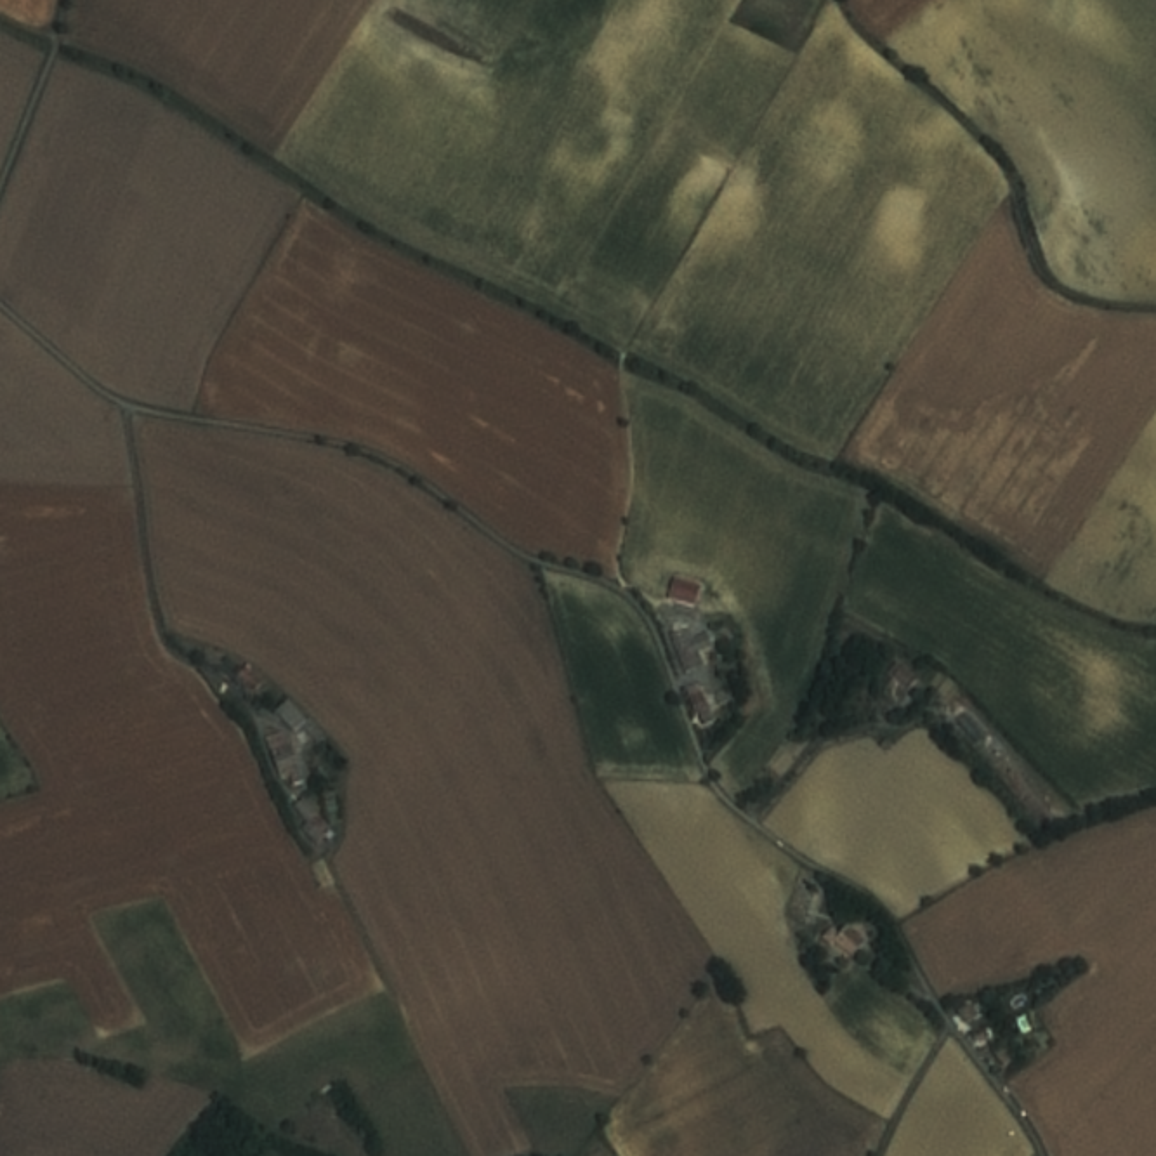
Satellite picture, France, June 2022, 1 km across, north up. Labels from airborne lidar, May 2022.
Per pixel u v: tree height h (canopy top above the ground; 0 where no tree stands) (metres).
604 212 0
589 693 0
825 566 0
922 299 0
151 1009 0
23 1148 0
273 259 0
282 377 0
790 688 0
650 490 0
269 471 0
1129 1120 0
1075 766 0
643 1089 0
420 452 0
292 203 0
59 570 0
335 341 0
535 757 0
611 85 0
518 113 0
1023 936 0
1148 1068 0
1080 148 0
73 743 0
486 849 0
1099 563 0
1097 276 0
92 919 0
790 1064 0
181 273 0
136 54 0
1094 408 0
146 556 0
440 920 0
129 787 0
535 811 0
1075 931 0
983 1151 0
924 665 8
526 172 0
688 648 0
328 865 0
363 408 0
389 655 0
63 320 0
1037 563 0
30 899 0
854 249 0
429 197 0
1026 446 0
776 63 0
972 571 0
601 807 0
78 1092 0
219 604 0
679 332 0
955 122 0
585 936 0
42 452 0
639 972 0
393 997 0
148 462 0
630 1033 0
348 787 0
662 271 0
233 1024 0
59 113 0
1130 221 0
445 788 0
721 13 0
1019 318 0
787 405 0
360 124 0
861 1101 0
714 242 0
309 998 0
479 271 0
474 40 0
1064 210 0
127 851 0
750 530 0
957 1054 0
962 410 0
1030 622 0
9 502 0
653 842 0
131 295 0
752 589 0
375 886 0
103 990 0
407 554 0
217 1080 0
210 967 0
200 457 0
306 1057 0
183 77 0
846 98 0
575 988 0
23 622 0
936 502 0
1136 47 0
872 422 0
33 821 0
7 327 0
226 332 0
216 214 0
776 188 0
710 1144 0
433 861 0
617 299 0
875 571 0
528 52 0
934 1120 0
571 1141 0
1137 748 0
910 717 11
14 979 0
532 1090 0
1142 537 0
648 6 0
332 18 0
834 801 0
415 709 0
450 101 0
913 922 0
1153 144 0
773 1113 0
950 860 0
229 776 0
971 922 0
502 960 0
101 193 0
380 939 0
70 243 0
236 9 0
